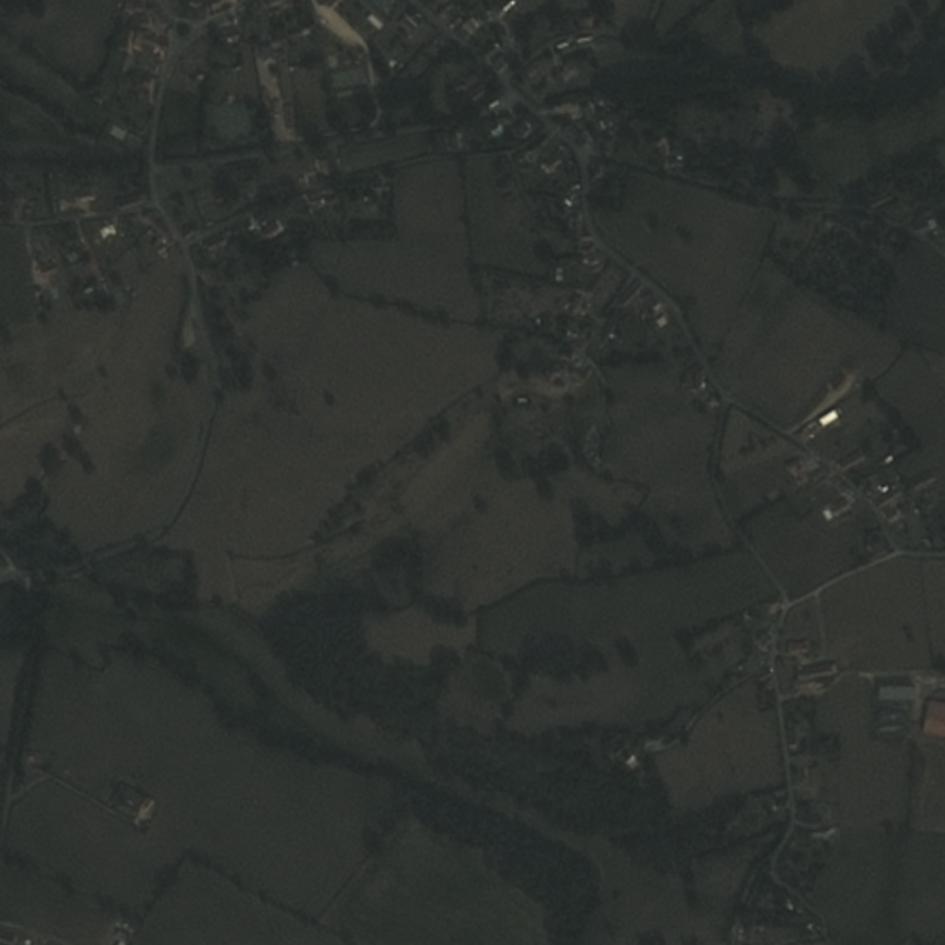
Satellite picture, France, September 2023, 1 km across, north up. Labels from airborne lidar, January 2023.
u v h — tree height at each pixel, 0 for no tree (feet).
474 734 41
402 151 0
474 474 0
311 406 0
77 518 0
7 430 0
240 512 0
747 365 0
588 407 0
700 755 0
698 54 74
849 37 0
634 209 0
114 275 29
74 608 0
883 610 0
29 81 0
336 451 0
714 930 0
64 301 0
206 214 0
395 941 0
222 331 53
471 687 0
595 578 57
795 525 0
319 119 0
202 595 0
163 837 0
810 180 62
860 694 0
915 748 30
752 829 0
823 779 0
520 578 0
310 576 0
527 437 0
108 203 0
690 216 0
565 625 0
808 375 0
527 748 34
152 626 0
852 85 81
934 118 0
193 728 0
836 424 0
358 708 50
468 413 0
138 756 0
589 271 0
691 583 0
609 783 40
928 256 0
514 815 0
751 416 21
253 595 0
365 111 54
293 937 0
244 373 61
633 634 0
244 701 0
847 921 0
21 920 0
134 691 0
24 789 0
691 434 0
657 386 0
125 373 0
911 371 0
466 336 0
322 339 0
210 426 0
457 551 0
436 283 0
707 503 0
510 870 37
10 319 0
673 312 0
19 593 59
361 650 45
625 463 0
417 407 0
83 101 0
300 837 0
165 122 0
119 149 0
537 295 0
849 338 0
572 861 27
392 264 0
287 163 0
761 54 63
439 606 47
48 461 58
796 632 0
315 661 55
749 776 0
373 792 0
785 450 0
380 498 0
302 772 0
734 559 0
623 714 0
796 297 0
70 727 0
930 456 0
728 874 0
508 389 0
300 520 0
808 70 0
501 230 0
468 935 0
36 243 0
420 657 0
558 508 0
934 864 0
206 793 0
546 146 0
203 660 0
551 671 46
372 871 0
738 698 0
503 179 18
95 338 0
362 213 0
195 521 0
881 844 0
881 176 38
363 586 0
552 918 36
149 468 0
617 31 0
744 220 0
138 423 0
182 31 36
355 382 0
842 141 0
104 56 0
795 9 0
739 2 0
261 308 0
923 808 0
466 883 0
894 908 0
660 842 41
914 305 0
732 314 0
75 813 0
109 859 0
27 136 0
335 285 43
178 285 0
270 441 0
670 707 0
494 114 22
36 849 0
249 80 0
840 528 0
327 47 0
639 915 0
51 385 0
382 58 46
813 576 0
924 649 0
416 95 72
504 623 0
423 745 49
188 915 0
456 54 51
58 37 0
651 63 0
